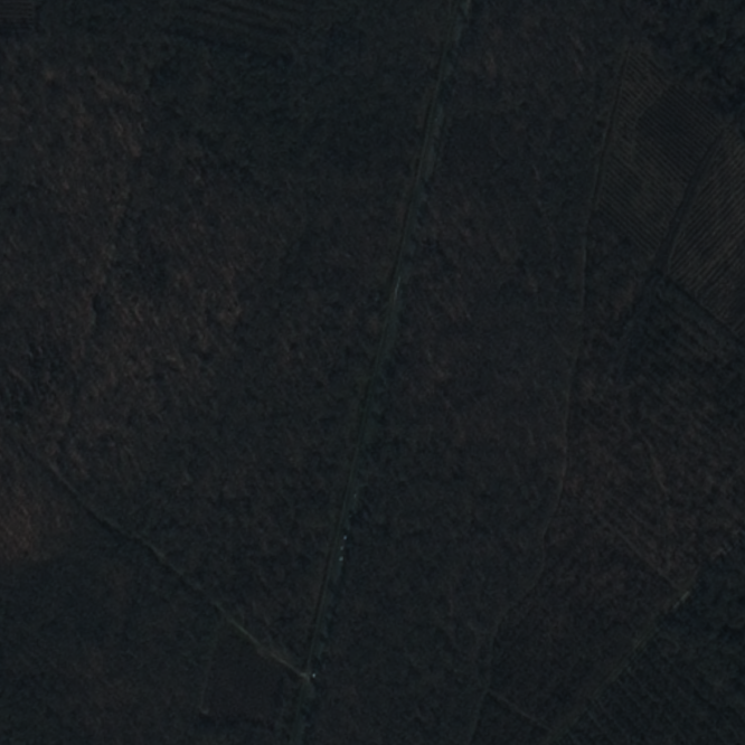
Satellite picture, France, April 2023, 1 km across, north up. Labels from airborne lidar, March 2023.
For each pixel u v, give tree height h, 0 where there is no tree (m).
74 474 24
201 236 25
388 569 22
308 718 14
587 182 16
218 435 23
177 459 23
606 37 24
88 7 22
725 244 0
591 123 24
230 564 19
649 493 15
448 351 24
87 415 23
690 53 29
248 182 22
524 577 24
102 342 16
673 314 14
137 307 22
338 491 25
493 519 20
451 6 23
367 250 26
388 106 23
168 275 23
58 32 23
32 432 20
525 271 16
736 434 16
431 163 0
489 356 24
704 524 15
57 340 19
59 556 20
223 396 25
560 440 21
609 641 15
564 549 10
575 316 22
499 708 14
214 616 25
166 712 25
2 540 17
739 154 0
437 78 15
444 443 23
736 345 15
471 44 25
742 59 29
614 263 16
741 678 10
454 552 24
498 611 23
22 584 13
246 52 25
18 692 19
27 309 17
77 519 24
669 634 16
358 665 24
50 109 22
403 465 24
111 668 16
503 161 18
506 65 26
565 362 25
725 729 18
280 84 22
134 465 21
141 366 24
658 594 14
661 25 26
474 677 23
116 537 23
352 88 25
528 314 25
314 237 23
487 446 23
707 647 20
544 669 15
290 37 13
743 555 28
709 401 15
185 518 25
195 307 28
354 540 16
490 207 26
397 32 22
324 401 25
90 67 22
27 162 24
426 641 23
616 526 12
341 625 23
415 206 0
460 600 24
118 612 20
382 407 18
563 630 14
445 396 23
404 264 0
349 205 25
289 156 22
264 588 28
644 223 0
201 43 25
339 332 22
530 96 23
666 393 16
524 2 20
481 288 23
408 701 26
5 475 26
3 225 23
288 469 31
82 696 19
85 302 22
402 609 28
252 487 27
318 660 0
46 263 19
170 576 16
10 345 17
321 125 24
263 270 28
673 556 14
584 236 23
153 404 19
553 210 23
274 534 21
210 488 32
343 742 22
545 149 25
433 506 24
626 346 19
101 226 14
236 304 28
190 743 21
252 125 27
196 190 28
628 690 14
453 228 25
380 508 23
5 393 18
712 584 23
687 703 12
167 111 25
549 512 24
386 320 18
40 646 20
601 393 11
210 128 18
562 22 23
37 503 24
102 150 22
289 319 25
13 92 29
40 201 21
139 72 25
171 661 20
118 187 19
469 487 26
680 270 0
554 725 12
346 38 24
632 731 18
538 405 26
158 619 22
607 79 25
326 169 25
